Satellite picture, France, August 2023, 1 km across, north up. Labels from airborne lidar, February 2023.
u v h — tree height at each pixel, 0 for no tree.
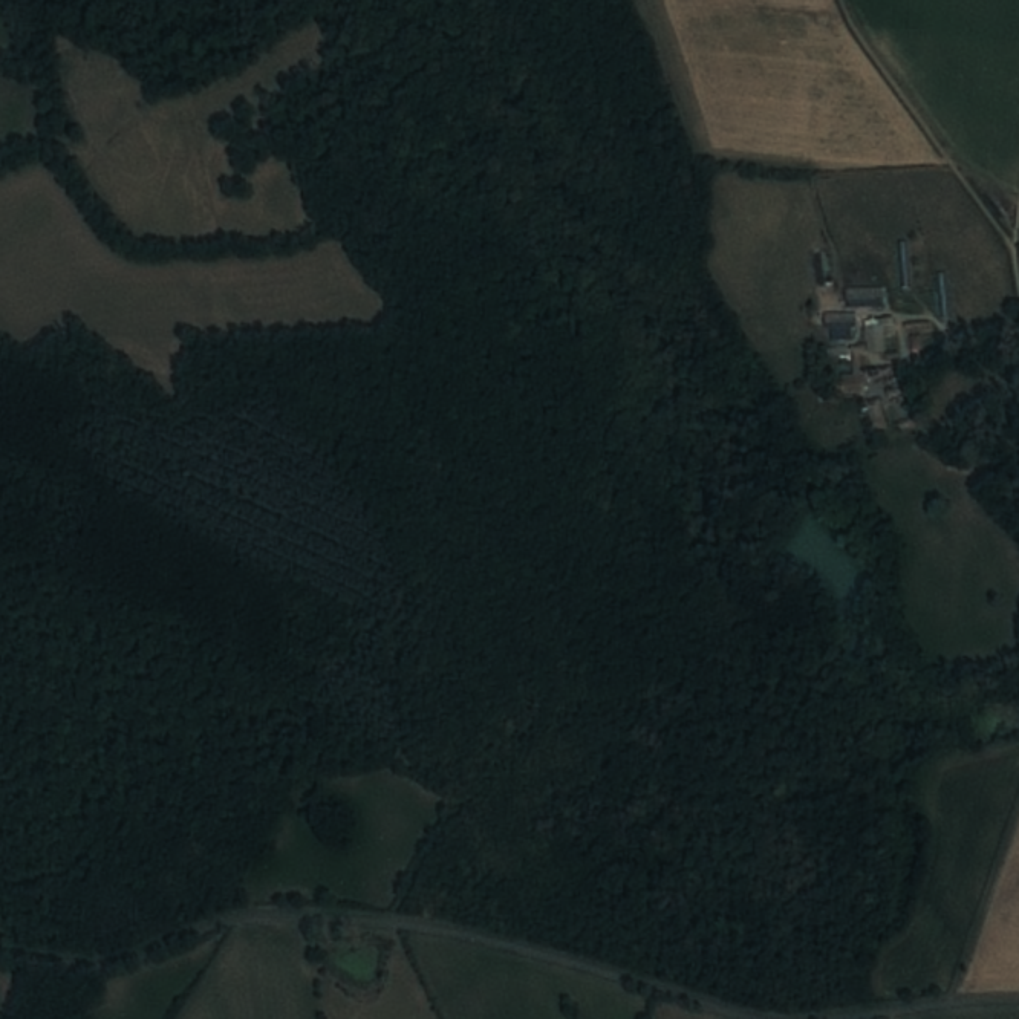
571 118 22
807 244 0
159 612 21
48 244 0
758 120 0
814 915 25
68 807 24
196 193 0
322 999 8
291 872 0
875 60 0
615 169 23
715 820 21
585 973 0
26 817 23
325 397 20
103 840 23
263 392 18
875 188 0
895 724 18
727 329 20
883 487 0
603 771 12
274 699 24
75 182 11
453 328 23
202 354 18
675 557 26
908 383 11
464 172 24
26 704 23
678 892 7
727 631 25
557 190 22
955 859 0
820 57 0
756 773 22
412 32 24
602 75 25
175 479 19
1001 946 0
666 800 22
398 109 24
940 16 0
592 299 23
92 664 18
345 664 14
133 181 0
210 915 21
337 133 23
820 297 0
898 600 25
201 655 21
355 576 17
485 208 23
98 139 0
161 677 22
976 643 0
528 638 21
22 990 21
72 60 0
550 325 21
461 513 21
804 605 16
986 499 22
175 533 20
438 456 21
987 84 0
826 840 21
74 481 22
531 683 19
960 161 0
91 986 16
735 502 25
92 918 22
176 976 0
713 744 19
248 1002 0
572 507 21
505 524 18
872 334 0
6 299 0
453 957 0
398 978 0
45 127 15
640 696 18
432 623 19
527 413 21
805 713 23
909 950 0
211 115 0
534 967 0
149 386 14
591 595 23
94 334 20
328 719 16
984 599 0
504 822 11
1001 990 0
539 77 20
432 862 17
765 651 23
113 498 19
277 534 17
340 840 14
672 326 25
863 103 0
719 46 0
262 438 17
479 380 22
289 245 14
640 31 14
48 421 21
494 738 19
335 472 18
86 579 24
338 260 0
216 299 0
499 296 22
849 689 24
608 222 21
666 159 23
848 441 0
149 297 0
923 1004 0
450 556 14
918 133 0
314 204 19
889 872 23
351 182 19
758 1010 14
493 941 0
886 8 0
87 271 0
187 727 24
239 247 21
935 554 0
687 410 25
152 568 21
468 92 24
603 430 27
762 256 0
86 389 16
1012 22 0
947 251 0
